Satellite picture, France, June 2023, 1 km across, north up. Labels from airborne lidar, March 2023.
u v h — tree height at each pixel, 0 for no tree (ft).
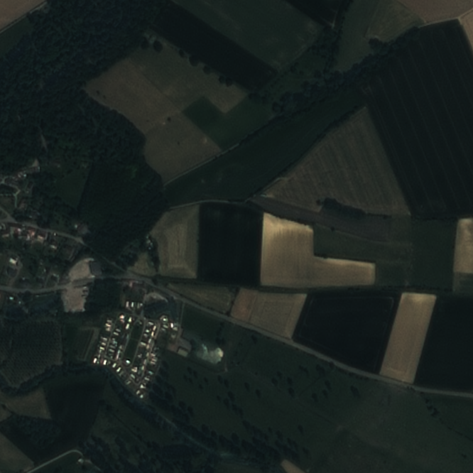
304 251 0
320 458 0
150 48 0
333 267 0
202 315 0
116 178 58
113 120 67
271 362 0
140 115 0
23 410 0
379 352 0
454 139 0
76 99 55
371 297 0
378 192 0
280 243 0
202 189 0
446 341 0
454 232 0
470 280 0
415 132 0
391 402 0
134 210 52
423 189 0
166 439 0
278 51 0
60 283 0
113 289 44
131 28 81
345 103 0
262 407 0
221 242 0
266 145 0
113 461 0
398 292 28
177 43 0
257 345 0
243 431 0
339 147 0
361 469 0
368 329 0
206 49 0
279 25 0
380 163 0
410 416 0
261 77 0
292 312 0
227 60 0
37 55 53
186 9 0
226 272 0
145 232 40
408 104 0
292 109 61
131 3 67
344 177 0
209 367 0
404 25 0
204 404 0
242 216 0
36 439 41
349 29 0
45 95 66
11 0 0
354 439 0
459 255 0
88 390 0
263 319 0
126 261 39
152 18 52
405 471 0
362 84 0
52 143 39
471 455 0
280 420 0
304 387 0
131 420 0
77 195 0
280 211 0
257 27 0
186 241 0
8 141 73
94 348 0
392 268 0
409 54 0
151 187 54
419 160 0
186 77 0
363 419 0
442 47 0
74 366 43
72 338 0
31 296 33
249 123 0
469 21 0
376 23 0
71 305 0
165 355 0
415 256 0
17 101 86
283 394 0
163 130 0
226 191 0
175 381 0
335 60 69
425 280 0
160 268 0
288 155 0
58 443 0
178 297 0
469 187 0
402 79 0
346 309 0
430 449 0
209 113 0
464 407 0
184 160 0
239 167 0
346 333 0
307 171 0
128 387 0
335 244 0
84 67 74
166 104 0
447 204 0
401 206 0
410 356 0
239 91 0
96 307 47
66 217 23
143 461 0
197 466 0
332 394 0
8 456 0
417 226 0
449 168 0
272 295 0
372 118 0
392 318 0
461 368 0
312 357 25
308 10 0
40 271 0
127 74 0
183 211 0
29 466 0
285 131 0
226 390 0
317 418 0
